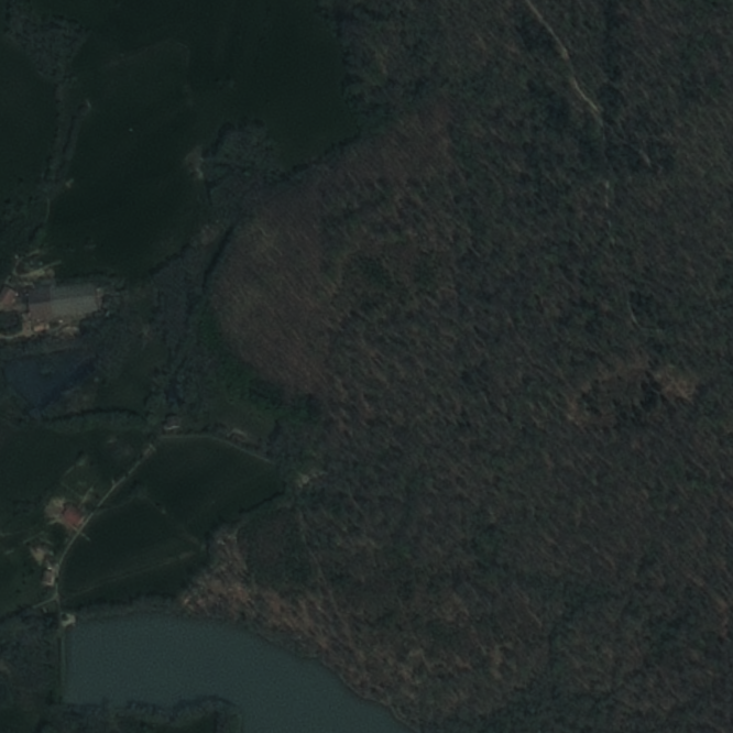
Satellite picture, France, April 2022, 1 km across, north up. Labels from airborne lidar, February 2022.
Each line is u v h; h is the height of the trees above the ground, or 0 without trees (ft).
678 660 41
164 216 0
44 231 39
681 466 88
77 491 0
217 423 0
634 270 84
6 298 0
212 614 56
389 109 99
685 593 79
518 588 97
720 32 91
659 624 37
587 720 66
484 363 85
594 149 84
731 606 91
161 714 67
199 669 0
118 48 0
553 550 94
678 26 91
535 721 87
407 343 96
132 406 0
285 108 0
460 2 95
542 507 89
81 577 0
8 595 0
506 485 81
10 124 0
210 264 0
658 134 72
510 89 70
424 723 41
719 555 78
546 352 93
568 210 94
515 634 29
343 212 69
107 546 0
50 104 0
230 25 0
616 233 95
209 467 0
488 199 97
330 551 63
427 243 97
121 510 0
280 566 38
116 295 31
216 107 0
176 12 0
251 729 0
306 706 0
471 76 68
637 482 94
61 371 0
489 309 105
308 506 81
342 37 42
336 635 69
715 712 101
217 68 0
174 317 77
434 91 103
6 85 0
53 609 0
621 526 89
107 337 85
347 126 0
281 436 58
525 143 93
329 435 73
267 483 0
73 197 0
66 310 0
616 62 85
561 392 88
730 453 93
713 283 89
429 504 89
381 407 89
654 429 65
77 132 35
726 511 74
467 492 90
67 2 0
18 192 0
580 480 74
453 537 90
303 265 75
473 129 101
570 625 70
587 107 86
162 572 0
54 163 41
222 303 69
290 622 83
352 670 58
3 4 0
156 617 0
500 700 60
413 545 85
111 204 0
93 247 40
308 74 0
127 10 0
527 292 83
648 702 85
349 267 23
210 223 29
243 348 65
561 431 88
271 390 43
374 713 0
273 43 0
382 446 105
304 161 0
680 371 83
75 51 66
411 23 65
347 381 94
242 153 120
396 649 0
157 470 0
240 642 0
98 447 0
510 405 88
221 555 61
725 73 61
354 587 33
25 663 84
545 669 61
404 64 101
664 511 81
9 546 0
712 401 95
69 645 0
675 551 55
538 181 92
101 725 83
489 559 70
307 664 0
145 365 0
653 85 73
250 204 87
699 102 76
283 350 75
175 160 0
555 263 88
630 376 0
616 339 101
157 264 0
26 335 0
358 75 98
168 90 0
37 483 0
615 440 90
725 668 100
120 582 0
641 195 90
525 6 85
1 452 0
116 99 0
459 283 87
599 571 89
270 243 0
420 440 75
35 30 60
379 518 95
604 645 84
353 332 94
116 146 0
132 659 0
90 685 0
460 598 92
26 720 0
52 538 0
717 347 86
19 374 0
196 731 0
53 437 0
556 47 89
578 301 89
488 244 95
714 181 82
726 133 83
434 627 0
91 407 0
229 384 73
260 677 0
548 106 74
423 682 79
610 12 77
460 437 82
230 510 0
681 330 95
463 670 0
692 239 92
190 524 0
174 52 0
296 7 0
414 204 90
